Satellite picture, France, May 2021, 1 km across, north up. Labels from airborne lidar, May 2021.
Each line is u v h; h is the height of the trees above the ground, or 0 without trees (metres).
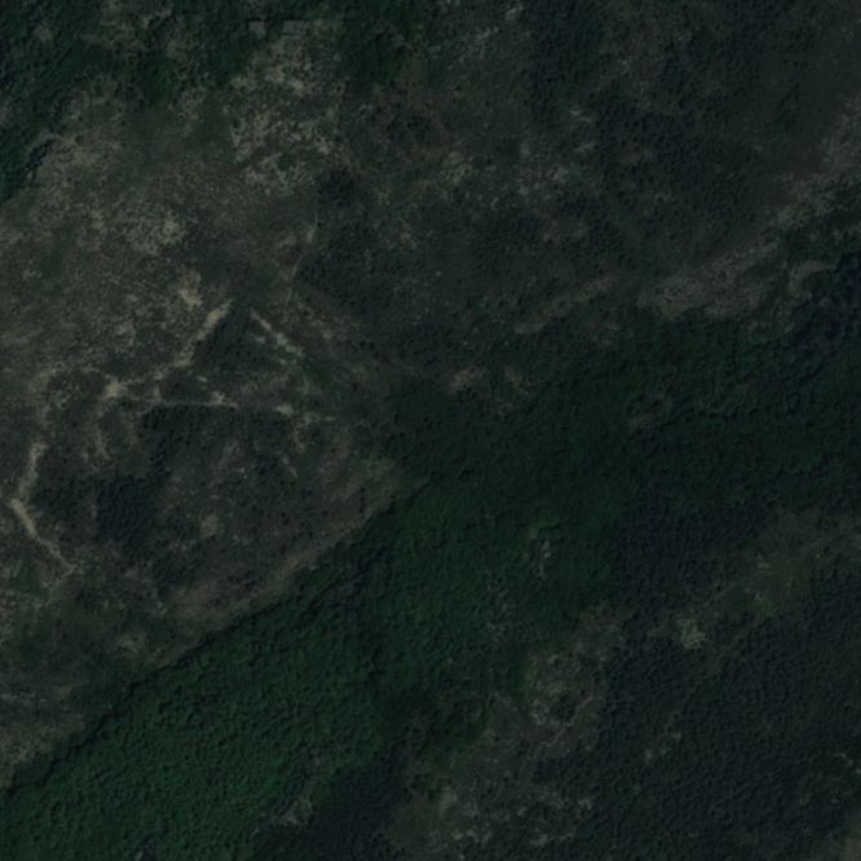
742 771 16
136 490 15
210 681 16
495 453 17
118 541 13
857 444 15
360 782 18
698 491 20
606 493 20
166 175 0
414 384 10
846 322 7
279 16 19
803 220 6
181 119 0
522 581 12
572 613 12
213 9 7
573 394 22
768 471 18
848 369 19
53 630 6
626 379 21
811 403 20
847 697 15
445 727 8
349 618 12
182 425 9
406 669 14
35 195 0
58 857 14
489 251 10
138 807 17
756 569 0
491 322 7
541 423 20
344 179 12
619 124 10
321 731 12
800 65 13
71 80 9
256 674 15
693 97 12
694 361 9
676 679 20
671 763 15
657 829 18
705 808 14
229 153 0
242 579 11
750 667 15
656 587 11
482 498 13
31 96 8
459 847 9
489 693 8
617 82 10
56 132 6
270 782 12
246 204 0
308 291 0
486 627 6
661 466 16
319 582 18
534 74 9
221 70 11
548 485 16
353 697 17
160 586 13
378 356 14
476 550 13
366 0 16
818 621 11
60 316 0
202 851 15
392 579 13
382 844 12
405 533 22
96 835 14
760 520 16
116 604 7
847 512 17
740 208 12
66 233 0
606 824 19
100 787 10
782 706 17
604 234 15
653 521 17
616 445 19
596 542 15
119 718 22
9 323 0
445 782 7
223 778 9
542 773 15
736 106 7
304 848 15
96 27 7
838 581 14
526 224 10
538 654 6
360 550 17
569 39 15
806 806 9
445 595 15
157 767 15
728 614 8
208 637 11
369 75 14
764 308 11
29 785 24
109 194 0
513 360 16
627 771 13
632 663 19
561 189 7
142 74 13
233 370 11
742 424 21
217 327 7
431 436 22
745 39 14
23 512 0
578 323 6
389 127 10
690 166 10
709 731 21
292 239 0
